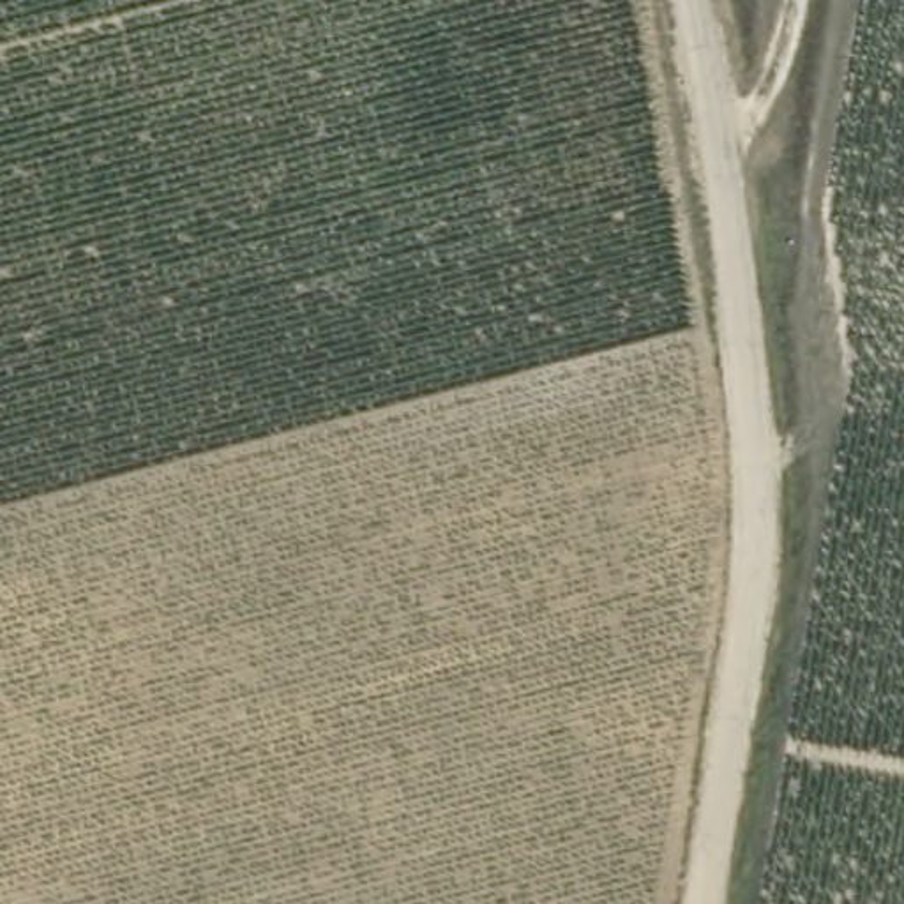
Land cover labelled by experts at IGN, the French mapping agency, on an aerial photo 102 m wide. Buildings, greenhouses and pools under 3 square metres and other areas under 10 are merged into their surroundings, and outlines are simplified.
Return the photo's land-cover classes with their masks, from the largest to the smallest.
<instances>
[{"label":"vineyard","instance_id":"1","mask_svg":"<svg viewBox=\"0 0 904 904\"><path fill-rule=\"evenodd\" d=\"M692 106L682 92V78L674 67L671 0H0V904H685L692 837L703 795L706 727L727 632L735 473L717 325L713 240L703 184L692 170ZM837 184L826 187L819 198L830 318L840 353V374L851 378L848 406L855 413L840 417L833 441L844 473H837V491L826 494L833 509V516L826 519V576H819V586L809 590L812 622L798 678V685H805V696L795 699L798 727L784 742V752L795 759L784 766L780 823L773 830V848L756 851V865L780 862L787 869L777 886V904H904V0H869L865 7H858V42L851 49V106H844L837 117Z\"/></svg>","mask_w":904,"mask_h":904},{"label":"herbaceous vegetation","instance_id":"2","mask_svg":"<svg viewBox=\"0 0 904 904\"><path fill-rule=\"evenodd\" d=\"M713 18L724 28V46L738 95H759L773 85L777 74L759 57L773 32L780 0H710ZM869 0H809V18L802 28V46L787 88L770 109L742 159V177L752 230L756 290L763 307L773 427L780 434V452L791 463L780 473V579L766 636L763 696L752 724V749L731 851L727 904H777V886L787 869L780 862L756 865V851L773 848V830L780 823L784 766L795 759L784 752V742L798 727L795 699L805 696V685H798V678L812 622L809 590L819 586V576H826V519L833 516V509L826 494L837 491V473H844L833 441L840 417L855 413L848 406L851 378L840 374V353L830 318L819 198L826 187L837 184V117L844 106H851V49L858 42V7H865Z\"/></svg>","mask_w":904,"mask_h":904},{"label":"impervious surface","instance_id":"3","mask_svg":"<svg viewBox=\"0 0 904 904\"><path fill-rule=\"evenodd\" d=\"M674 67L682 78V92L692 106V170L703 184L713 240L717 325L735 473L727 632L706 727L703 795L692 837L685 904H727L731 851L752 749V724L763 696L766 636L780 579V473L791 463L780 452V434L773 427L763 307L756 290L752 230L742 177V159L770 109L759 95H738L724 46V28L713 18L710 0H671Z\"/></svg>","mask_w":904,"mask_h":904},{"label":"pervious surface","instance_id":"4","mask_svg":"<svg viewBox=\"0 0 904 904\"><path fill-rule=\"evenodd\" d=\"M809 18V0H780L773 32L759 57L777 74L773 85L759 95L770 109L787 88L802 46V28Z\"/></svg>","mask_w":904,"mask_h":904}]
</instances>
